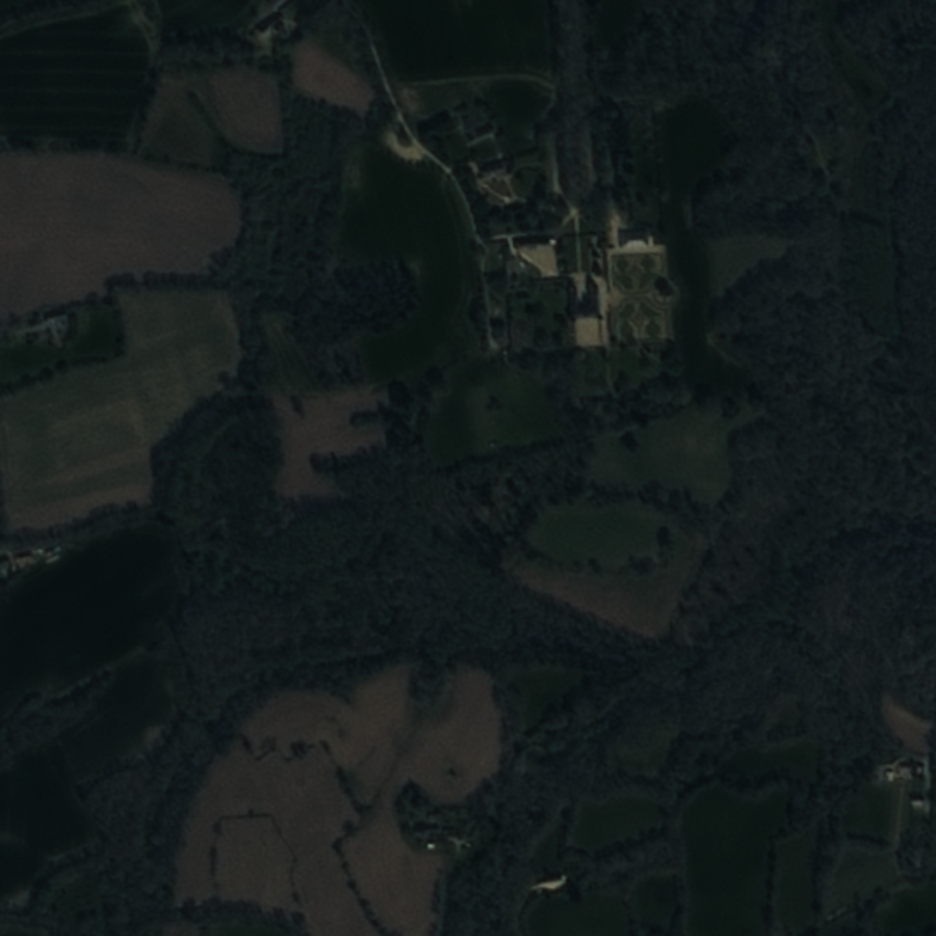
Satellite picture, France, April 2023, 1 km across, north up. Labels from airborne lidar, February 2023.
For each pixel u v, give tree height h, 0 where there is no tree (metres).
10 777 0
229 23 0
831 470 24
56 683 0
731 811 0
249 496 19
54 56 0
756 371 12
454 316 0
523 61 0
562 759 23
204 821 0
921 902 0
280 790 0
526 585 0
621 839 0
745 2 18
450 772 0
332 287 20
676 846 16
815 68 22
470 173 9
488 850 12
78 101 0
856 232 17
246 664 12
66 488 0
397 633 22
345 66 0
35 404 0
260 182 8
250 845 0
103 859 16
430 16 0
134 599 0
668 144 0
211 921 14
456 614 16
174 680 0
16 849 0
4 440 0
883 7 23
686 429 0
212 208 0
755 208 20
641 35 7
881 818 0
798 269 22
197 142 0
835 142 16
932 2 22
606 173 13
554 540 0
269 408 17
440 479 10
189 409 0
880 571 29
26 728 22
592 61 9
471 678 0
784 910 0
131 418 0
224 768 0
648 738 28
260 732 0
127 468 0
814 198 21
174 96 0
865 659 13
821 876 30
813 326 24
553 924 0
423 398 19
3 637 0
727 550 15
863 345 23
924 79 26
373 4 0
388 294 19
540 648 30
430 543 35
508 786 19
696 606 11
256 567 38
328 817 0
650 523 0
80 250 0
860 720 17
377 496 22
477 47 0
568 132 23
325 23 18
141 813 14
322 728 0
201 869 0
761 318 28
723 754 16
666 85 33
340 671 25
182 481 37
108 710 0
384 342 0
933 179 22
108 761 0
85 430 0
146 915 18
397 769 0
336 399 0
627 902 8
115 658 0
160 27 0
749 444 26
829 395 18
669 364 15
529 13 0
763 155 24
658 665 30
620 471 0
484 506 14
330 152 12
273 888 0
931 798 13
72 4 21
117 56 0
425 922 0
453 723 0
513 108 0
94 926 12
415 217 0
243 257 9
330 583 16
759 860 0
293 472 0
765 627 23
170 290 13
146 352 0
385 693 0
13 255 0
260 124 0
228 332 0
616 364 0
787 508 16
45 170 0
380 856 0
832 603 12
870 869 0
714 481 0
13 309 0
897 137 23
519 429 0
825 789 8
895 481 23
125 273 0
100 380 0
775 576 32
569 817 14
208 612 30
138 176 0
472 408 0
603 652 31
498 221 15
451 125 11
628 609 0
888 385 18
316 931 0
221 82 0
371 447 0
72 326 9
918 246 23
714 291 0
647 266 0
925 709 9
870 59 21
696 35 19
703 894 0
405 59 0
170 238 0
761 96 17
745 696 26
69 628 0
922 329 20
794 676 21
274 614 24
